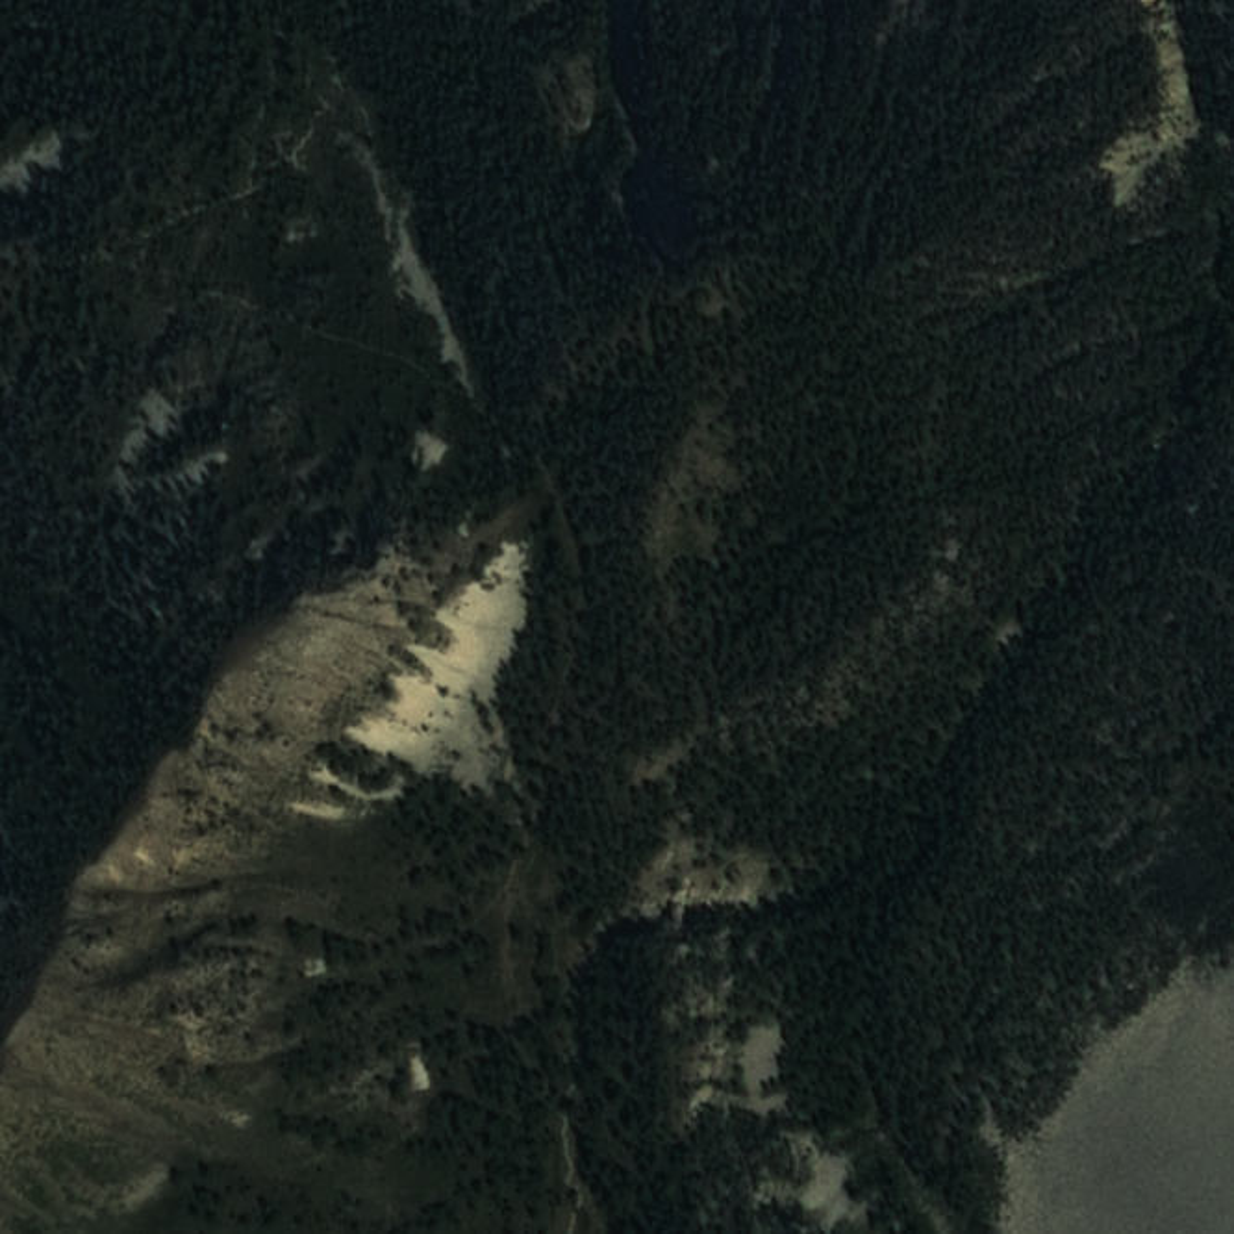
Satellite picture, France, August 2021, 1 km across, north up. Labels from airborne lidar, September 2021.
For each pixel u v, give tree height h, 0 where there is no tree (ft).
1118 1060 0
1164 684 44
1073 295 58
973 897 53
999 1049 37
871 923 69
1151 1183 0
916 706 59
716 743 31
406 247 0
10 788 38
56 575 29
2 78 38
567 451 56
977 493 48
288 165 19
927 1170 50
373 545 21
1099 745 44
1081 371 53
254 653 0
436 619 0
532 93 54
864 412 48
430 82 30
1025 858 35
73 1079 0
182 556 29
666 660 56
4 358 26
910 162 28
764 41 35
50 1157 0
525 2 36
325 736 0
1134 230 53
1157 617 40
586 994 84
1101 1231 0
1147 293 45
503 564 0
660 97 42
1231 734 48
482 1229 0
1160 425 69
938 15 23
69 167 29
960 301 52
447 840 56
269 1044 0
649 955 43
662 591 38
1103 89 39
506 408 45
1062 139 54
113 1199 0
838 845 48
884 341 40
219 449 20
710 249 38
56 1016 0
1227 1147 0
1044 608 84
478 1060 0
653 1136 38
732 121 37
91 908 0
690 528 0
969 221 48
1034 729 38
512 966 0
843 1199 0
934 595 29
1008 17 33
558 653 50
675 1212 36
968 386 52
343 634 0
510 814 0
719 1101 0
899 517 50
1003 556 41
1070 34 43
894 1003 66
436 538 34
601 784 53
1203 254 27
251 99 37
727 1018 34
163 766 0
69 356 41
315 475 0
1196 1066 0
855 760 52
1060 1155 0
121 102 39
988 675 91
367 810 0
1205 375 49
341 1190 0
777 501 48
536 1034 73
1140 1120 0
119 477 0
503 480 41
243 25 46
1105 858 41
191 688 28
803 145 43
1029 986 24
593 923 74
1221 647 45
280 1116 18
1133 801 46
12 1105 0
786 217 49
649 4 31
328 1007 29
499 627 0
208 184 0
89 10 41
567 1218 0
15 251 31
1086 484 55
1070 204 41
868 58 49
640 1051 28
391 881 0
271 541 0
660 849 43
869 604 58
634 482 53
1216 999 0
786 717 43
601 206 28
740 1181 29
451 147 45
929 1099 26
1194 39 24
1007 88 47
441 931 48
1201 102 42
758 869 0
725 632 66
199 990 0
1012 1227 0
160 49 19
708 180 48
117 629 59
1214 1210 0
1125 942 34
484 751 0
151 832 0
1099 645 30
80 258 50
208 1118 0
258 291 0
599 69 34
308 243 0
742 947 56
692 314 32
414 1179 0
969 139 56
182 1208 0
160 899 0
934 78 36
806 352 50
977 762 52
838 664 49
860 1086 63
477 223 51
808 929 70
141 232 38
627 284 35
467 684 0
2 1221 0
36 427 25
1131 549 38
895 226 44
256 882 0
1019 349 48
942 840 72
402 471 0
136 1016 0
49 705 0
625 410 44
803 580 44
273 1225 52
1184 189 44
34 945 0
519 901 0
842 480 71
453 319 21
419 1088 0
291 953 0
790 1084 60
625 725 42
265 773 0
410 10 26
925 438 48
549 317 29
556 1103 32
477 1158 61
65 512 32
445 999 0
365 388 0
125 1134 0
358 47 26
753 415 34
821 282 44
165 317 0
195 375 0
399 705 0
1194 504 27
